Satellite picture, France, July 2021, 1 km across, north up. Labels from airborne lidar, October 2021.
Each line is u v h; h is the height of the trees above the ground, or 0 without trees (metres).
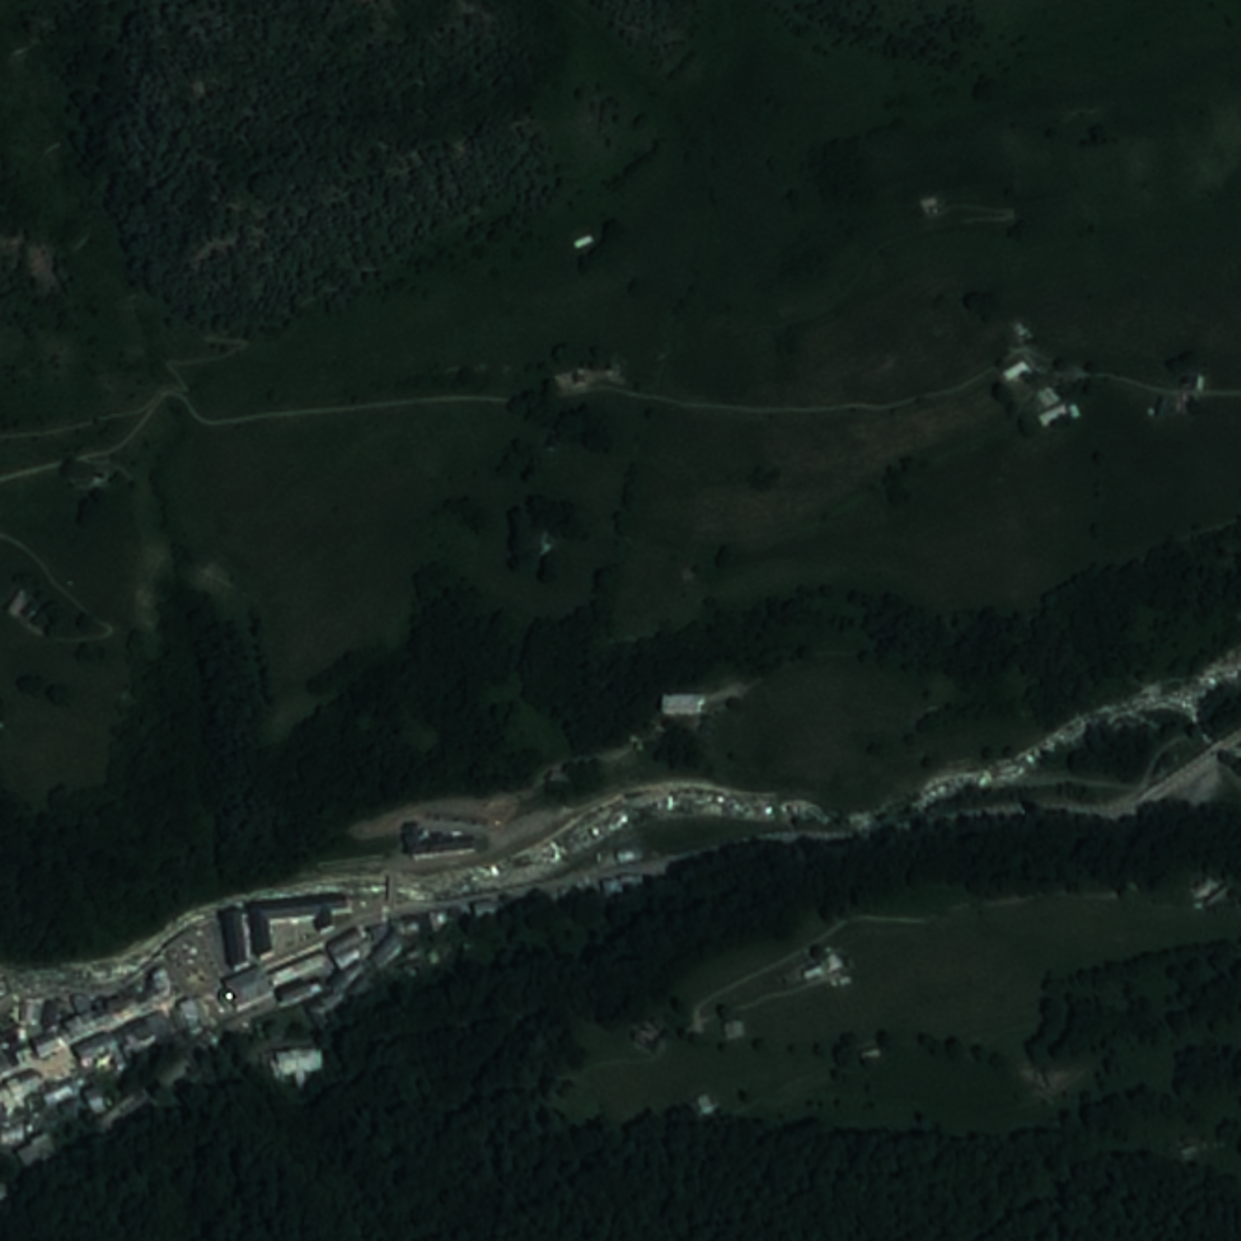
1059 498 0
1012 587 0
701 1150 29
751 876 18
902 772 0
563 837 0
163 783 23
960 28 13
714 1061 0
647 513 0
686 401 0
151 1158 27
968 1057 12
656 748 12
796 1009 0
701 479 0
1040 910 0
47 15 7
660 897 14
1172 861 16
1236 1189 24
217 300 20
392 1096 14
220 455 0
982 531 0
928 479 0
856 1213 21
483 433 0
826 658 0
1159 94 0
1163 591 20
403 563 0
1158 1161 26
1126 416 0
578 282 0
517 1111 27
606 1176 30
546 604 0
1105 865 18
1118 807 0
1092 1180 13
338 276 19
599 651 18
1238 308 0
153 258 25
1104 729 13
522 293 0
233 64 10
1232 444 0
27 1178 17
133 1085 16
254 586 0
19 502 0
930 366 0
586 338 0
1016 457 0
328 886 0
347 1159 21
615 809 0
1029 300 0
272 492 0
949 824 20
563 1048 24
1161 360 0
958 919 0
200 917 0
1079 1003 10
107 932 9
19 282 12
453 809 0
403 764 25
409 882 0
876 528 0
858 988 0
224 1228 24
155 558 0
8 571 0
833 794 0
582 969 25
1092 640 15
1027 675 16
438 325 0
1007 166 0
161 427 0
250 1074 16
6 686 0
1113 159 0
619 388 0
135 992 0
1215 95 0
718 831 0
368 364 0
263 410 0
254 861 15
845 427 0
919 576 0
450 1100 14
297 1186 22
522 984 24
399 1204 24
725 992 0
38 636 0
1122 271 0
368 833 0
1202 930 0
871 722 0
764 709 0
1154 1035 11
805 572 0
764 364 0
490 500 0
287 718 0
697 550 0
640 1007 24
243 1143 18
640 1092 0
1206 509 0
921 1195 22
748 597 0
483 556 0
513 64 16
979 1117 0
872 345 0
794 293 0
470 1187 26
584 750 17
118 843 12
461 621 15
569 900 12
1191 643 0
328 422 0
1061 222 0
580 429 22
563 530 17
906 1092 0
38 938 23
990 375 0
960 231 0
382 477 0
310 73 10
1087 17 0
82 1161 22
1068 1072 0
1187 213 0
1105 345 0
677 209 0
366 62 7
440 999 10
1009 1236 20
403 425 0
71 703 19
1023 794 14
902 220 0
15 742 0
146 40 15
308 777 23
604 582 19
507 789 22
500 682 14
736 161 0
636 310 0
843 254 0
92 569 0
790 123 0
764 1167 27
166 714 21
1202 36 0
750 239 0
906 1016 0
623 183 13
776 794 0
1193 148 0
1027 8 0
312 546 0
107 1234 23
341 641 0
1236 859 16
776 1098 0
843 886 25
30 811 15
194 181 25
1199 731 22
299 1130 22
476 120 21
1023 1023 0
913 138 0
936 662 13
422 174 22
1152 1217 22
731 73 0
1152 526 0
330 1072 7
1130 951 0
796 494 0
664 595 0
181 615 10
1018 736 0
